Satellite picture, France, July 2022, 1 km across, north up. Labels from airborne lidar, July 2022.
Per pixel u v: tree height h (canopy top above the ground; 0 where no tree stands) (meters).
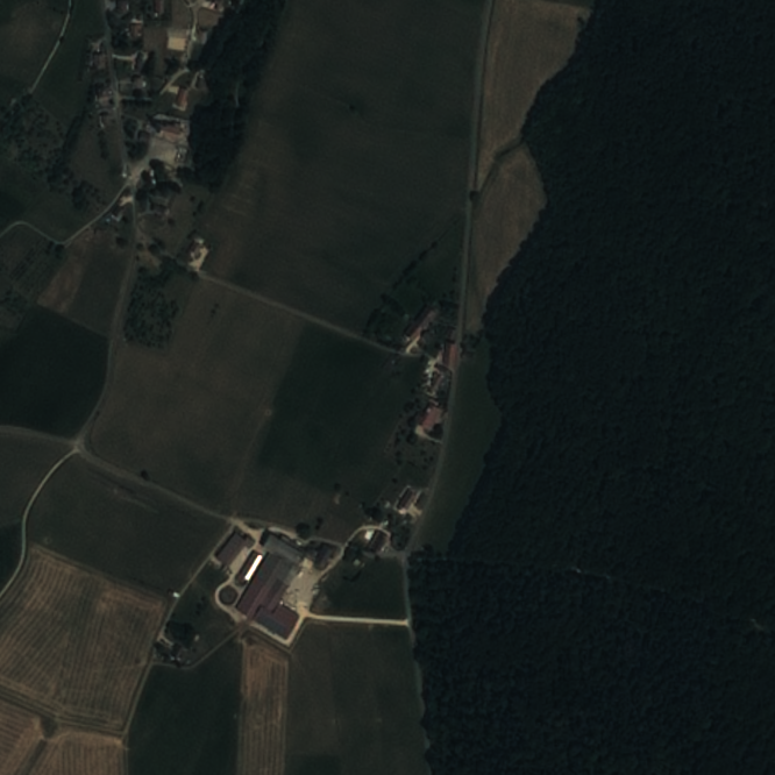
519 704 24
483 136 0
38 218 0
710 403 21
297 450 0
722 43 20
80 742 0
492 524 26
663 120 20
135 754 0
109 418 0
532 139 13
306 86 0
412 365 0
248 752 0
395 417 0
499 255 0
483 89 0
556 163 18
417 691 0
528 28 0
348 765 0
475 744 16
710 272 23
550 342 26
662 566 25
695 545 25
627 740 18
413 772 0
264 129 0
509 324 23
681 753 19
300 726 0
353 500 0
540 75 0
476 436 0
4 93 0
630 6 25
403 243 0
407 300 0
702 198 24
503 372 21
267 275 0
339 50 0
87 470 0
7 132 11
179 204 0
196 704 0
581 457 21
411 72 0
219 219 0
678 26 24
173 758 0
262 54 23
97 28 0
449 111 0
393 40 0
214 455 0
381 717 0
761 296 14
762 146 24
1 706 0
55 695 0
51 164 7
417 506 0
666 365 28
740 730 22
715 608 23
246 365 0
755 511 22
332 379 0
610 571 24
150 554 0
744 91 22
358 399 0
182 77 0
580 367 25
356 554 10
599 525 23
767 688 25
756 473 25
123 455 0
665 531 28
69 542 0
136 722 0
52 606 0
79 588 0
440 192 0
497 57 0
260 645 0
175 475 0
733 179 18
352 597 0
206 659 0
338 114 0
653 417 28
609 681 19
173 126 0
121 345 0
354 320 0
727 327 22
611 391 22
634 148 23
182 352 0
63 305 0
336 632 0
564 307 19
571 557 25
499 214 0
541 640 26
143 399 0
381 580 0
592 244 21
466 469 0
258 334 0
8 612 0
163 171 16
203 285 0
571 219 22
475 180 0
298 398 0
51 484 0
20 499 0
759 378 18
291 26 0
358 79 0
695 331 22
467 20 0
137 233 0
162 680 0
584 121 19
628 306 26
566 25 0
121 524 0
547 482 24
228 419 0
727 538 25
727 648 23
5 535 0
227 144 22
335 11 0
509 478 23
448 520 0
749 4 18
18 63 0
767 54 24
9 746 0
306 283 0
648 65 25
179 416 0
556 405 21
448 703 7
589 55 23
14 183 0
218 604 0
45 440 0
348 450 0
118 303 0
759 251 24
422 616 18
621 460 20
